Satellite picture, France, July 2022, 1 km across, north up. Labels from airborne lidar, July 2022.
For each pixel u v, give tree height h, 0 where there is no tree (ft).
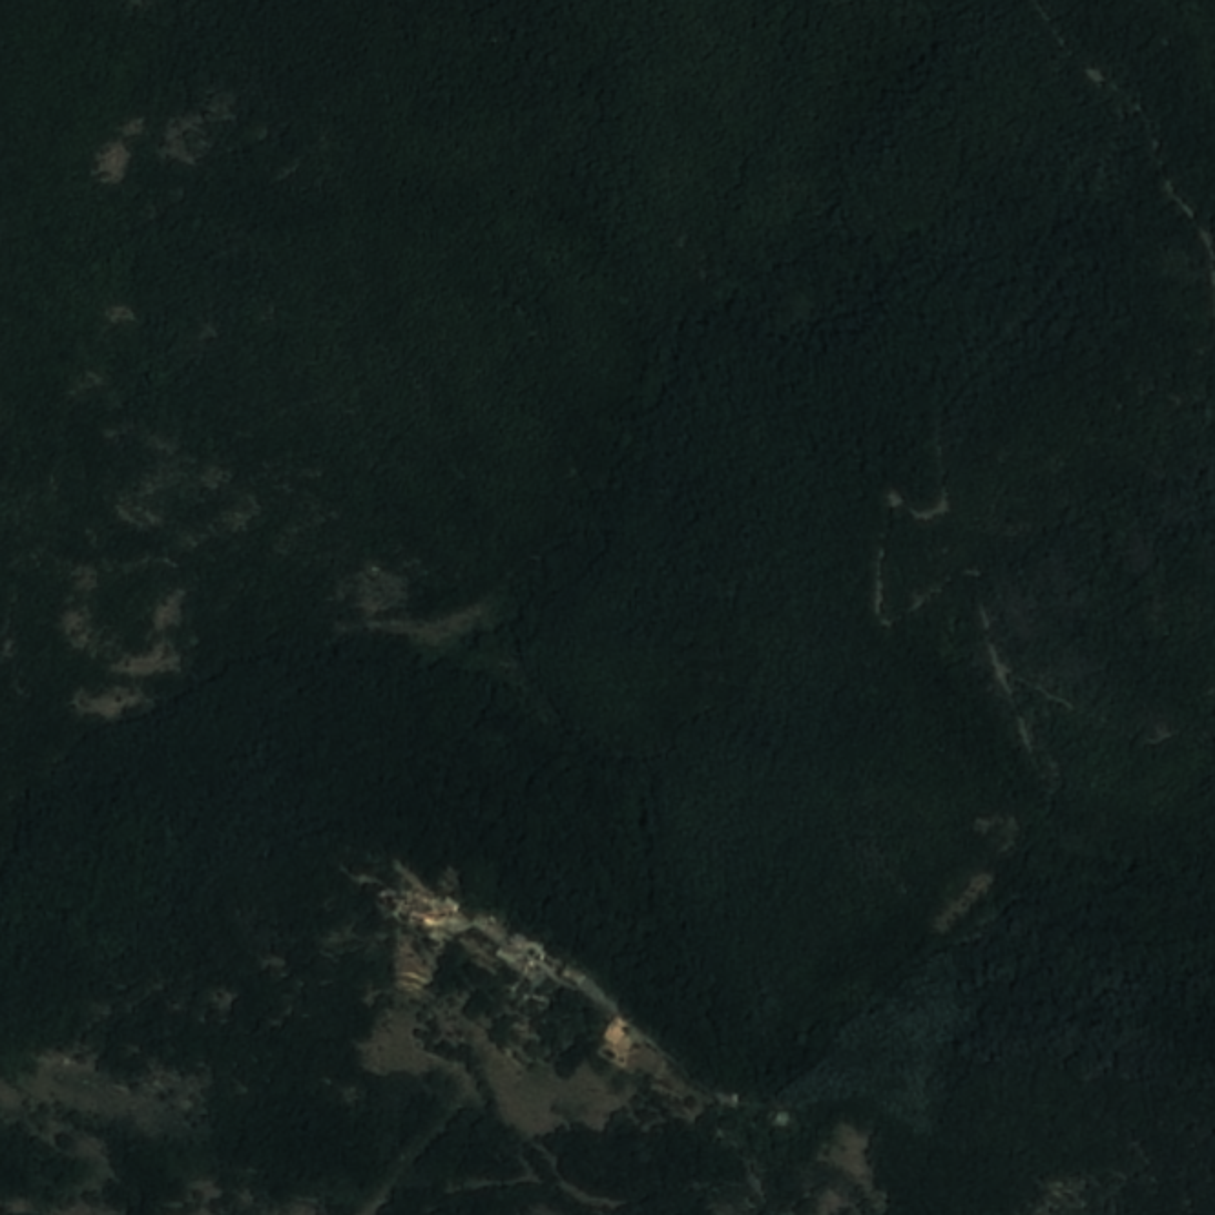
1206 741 31
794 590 23
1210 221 31
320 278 22
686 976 61
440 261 38
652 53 46
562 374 33
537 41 59
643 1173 49
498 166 40
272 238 31
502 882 31
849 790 26
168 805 39
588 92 60
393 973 27
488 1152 31
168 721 45
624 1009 54
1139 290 31
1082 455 26
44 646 28
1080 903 46
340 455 32
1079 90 48
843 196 57
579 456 62
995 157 36
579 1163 52
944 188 52
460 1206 31
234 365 18
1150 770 45
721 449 60
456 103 66
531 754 43
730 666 31
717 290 57
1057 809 44
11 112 33
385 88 47
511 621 46
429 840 45
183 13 41
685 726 45
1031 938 26
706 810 26
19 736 31
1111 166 26
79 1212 0
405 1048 0
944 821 29
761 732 23
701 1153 37
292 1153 60
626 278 42
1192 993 90
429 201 52
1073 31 33
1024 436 28
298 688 39
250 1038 32
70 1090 0
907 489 34
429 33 49
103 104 33
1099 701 26
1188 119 29
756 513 37
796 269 36
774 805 29
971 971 30
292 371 28
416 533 32
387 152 40
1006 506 27
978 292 46
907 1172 43
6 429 18
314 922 29
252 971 27
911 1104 30
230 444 24
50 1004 33
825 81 51
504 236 54
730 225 56
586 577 44
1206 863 42
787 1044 40
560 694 41
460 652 30
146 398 38
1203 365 19
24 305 28
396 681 53
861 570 28
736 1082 33
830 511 46
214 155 29
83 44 39
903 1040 29
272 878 24
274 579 26
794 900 28
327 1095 31
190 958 19
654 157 38
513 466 48
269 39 42
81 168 37
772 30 55
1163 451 39
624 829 58
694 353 54
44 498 30
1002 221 51
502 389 64
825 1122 22
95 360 28
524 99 47
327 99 37
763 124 47
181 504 27
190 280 31
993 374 25
